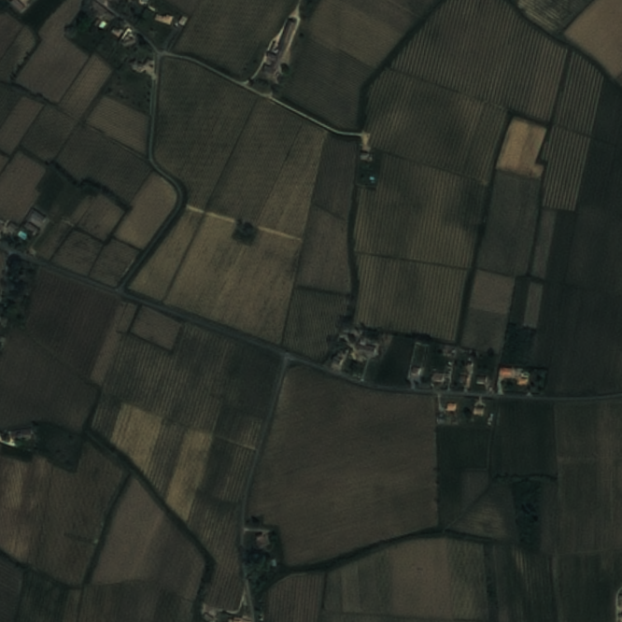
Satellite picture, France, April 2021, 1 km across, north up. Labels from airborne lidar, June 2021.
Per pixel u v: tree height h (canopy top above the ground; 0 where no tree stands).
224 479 0
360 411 0
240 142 0
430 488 0
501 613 0
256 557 13
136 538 0
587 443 0
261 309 0
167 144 0
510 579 0
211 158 0
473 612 0
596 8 0
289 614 0
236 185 0
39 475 0
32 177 0
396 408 0
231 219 0
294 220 0
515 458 0
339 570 0
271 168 0
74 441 8
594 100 0
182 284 0
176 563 0
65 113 0
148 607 0
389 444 0
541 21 0
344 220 0
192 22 0
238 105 0
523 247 0
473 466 0
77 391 0
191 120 0
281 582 0
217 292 0
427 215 0
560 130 0
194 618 0
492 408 0
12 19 0
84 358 0
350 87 0
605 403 0
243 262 0
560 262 0
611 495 0
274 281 0
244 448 0
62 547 0
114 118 0
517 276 0
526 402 0
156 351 0
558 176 0
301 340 0
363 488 0
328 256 0
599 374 0
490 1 0
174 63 0
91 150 0
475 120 0
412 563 0
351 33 0
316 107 0
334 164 0
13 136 0
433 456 0
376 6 0
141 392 0
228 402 0
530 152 0
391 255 0
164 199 0
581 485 0
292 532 0
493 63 0
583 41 0
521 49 0
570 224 0
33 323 0
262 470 0
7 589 0
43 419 0
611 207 0
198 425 0
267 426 0
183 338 0
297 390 0
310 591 0
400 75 0
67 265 0
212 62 0
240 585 0
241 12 0
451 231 0
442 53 0
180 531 0
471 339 0
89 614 0
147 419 0
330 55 0
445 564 0
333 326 0
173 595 0
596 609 0
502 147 0
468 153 0
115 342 0
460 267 0
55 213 0
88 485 0
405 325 0
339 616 0
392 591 0
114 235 0
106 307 0
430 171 0
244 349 0
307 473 0
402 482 0
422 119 0
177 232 0
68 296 0
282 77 12
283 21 0
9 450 0
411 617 0
